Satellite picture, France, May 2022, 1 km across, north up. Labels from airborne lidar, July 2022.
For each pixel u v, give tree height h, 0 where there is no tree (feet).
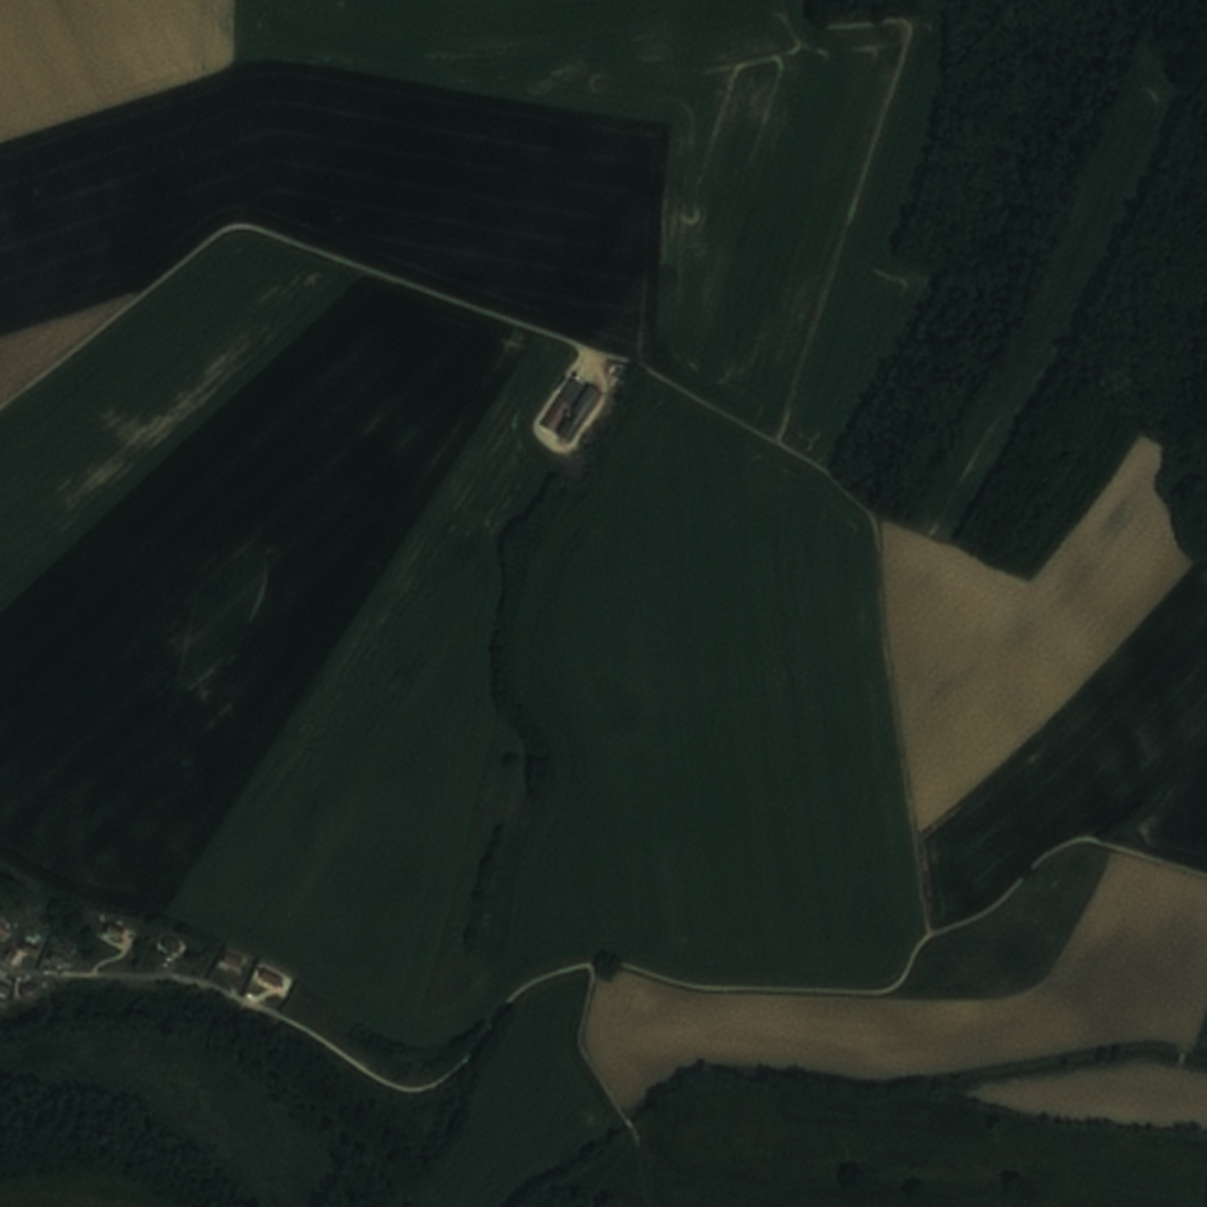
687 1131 0
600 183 0
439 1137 24
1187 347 84
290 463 0
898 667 0
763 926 0
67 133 0
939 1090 55
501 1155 0
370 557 0
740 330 0
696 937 0
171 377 0
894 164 0
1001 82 71
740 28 0
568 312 0
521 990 0
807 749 0
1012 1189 49
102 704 0
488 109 0
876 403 60
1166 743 0
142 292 0
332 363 0
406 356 0
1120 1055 35
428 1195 0
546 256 0
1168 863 0
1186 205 86
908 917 0
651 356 0
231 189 0
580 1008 0
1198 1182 0
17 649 0
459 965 0
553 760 37
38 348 0
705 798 0
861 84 0
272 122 0
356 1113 45
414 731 0
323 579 0
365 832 0
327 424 0
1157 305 73
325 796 0
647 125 0
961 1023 0
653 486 0
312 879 0
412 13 0
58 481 0
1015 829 0
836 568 0
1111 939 0
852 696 0
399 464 0
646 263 0
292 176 0
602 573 0
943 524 0
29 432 0
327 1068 39
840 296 0
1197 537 56
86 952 32
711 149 0
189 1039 68
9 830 0
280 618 0
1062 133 26
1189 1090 0
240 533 0
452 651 0
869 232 0
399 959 0
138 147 0
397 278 0
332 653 0
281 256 0
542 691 0
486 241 0
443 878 0
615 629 0
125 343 0
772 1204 0
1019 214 94
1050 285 56
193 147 0
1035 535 35
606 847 0
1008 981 0
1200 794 0
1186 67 95
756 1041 0
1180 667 0
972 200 78
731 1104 0
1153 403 86
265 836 0
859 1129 0
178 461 0
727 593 0
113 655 0
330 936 0
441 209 0
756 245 0
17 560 0
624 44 0
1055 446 53
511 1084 0
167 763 0
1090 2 95
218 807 0
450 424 0
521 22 0
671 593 0
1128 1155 0
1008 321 69
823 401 0
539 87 0
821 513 0
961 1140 0
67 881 0
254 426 0
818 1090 53
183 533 0
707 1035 0
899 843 0
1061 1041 0
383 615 0
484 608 0
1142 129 0
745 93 0
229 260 0
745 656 0
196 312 0
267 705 0
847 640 0
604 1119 0
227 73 0
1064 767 0
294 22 0
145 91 0
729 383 0
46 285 0
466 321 0
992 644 0
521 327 0
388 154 0
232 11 0
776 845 0
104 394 0
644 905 0
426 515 0
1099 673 0
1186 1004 0
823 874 0
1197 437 74
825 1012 0
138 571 0
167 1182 56
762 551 0
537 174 0
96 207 0
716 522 0
